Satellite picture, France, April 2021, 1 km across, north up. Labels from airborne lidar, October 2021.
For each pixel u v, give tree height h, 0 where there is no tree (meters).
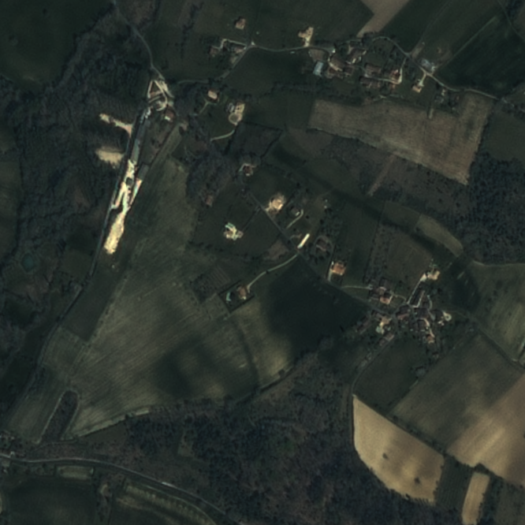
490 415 0
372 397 0
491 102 0
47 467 7
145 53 14
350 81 0
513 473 0
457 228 12
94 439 0
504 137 0
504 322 0
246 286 0
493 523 20
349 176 0
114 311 0
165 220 0
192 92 17
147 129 8
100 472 0
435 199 0
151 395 0
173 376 0
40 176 15
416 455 0
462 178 0
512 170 6
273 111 0
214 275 0
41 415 0
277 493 15
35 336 0
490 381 0
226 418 7
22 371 0
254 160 19
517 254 8
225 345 0
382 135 0
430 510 15
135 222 0
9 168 0
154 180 0
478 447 0
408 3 0
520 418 0
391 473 0
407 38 0
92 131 0
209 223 0
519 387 0
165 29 0
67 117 41
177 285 0
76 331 0
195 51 0
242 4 0
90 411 0
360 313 0
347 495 18
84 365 0
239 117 0
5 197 0
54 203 13
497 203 12
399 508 17
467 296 0
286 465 15
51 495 0
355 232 0
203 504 18
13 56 0
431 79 0
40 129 29
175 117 14
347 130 0
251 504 19
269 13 0
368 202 0
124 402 0
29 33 0
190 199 12
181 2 0
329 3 0
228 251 0
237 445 15
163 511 0
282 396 0
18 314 0
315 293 0
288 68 0
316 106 0
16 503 0
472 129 0
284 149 0
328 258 9
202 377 0
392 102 0
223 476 16
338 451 8
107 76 29
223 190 20
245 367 0
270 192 0
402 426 0
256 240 0
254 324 0
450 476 0
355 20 0
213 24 0
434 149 0
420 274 0
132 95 32
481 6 0
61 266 6
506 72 0
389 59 8
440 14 0
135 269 0
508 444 0
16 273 20
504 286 0
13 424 0
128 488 0
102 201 6
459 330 13
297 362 13
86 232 0
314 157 0
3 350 32
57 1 0
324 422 19
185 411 10
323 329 0
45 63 0
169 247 0
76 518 0
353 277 0
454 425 0
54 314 0
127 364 0
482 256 6
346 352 0
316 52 0
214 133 0
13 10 0
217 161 19
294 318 0
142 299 0
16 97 23
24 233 20
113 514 0
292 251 0
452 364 0
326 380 8
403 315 0
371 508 19
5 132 0
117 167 13
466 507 0
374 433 0
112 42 0
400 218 0
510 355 0
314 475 8
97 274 0
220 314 0
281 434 17
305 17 0
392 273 0
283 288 0
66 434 0
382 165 0
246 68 0
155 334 0
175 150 0
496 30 0
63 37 0
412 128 0
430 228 0
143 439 14
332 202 0
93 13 0
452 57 0
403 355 0
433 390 0
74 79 12
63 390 0
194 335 0
